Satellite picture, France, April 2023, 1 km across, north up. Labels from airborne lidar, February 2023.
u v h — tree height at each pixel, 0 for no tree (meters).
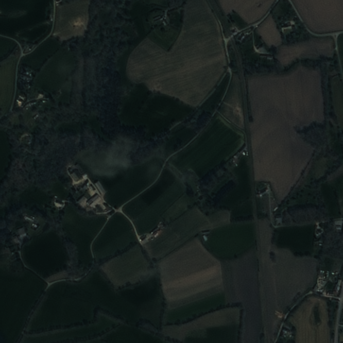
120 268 0
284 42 11
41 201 0
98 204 0
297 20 11
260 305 0
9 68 0
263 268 0
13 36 0
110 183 0
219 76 0
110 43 15
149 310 0
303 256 11
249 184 0
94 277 0
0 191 20
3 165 0
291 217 18
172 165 0
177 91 0
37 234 0
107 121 28
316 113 0
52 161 24
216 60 0
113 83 27
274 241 10
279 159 0
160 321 14
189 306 0
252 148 0
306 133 19
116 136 25
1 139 0
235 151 0
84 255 0
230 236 0
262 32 0
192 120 13
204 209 12
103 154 15
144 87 0
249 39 6
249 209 0
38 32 0
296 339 0
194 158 0
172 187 0
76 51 21
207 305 0
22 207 17
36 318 0
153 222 0
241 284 0
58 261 0
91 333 0
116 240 0
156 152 18
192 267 0
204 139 0
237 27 0
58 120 24
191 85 0
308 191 0
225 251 0
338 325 0
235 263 0
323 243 18
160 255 0
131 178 0
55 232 12
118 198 0
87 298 0
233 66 15
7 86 0
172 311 0
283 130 0
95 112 23
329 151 14
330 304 8
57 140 26
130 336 0
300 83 0
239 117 0
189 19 0
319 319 0
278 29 9
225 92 0
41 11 0
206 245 0
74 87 15
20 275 0
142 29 0
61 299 0
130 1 11
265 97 0
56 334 0
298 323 0
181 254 0
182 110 0
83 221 0
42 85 0
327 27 0
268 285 0
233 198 0
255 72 20
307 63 9
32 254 0
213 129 0
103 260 9
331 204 0
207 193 13
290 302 0
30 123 0
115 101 24
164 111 0
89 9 7
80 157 0
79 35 0
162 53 0
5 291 0
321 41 0
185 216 0
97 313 17
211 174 18
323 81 13
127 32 0
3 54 0
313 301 0
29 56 0
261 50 0
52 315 0
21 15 0
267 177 0
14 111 13
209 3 0
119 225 0
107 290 0
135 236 0
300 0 0
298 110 0
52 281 0
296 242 0
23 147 17
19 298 0
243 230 0
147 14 0
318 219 19
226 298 0
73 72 10
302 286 0
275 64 12
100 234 0
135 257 0
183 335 0
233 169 0
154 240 0
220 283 0
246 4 0
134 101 0
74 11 0
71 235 0
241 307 14
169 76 0
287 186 0
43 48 0
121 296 0
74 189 11
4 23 0
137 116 0
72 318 0
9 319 0
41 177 21
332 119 18
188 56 0
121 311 0
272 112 0
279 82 0
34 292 0
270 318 0
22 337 12
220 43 0
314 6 0
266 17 0
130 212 0
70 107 16
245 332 0
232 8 0
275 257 16
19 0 0
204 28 0
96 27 17
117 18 12
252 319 0
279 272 0
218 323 0
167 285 0
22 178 8
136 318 0
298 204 0
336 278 7
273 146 0
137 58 0
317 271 13
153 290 0
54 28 0
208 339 0
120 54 8
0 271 0
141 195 0
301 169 0
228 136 0
